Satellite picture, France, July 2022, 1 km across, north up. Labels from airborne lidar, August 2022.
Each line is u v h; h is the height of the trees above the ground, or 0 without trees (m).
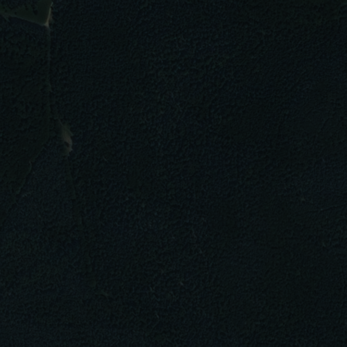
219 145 15
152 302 29
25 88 31
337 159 18
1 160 25
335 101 6
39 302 27
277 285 19
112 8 21
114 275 26
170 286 31
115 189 28
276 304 23
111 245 32
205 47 28
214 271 24
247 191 23
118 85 19
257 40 15
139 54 16
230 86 26
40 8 0
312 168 17
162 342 22
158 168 25
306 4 17
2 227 19
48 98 18
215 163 19
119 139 16
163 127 28
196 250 21
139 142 20
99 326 28
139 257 24
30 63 16
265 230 21
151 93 22
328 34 9
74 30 23
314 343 16
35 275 35
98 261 25
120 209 12
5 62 24
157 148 22
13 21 31
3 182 28
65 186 28
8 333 25
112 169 20
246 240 24
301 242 19
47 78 19
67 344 25
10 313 21
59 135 18
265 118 11
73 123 21
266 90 12
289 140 17
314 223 15
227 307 17
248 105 11
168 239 27
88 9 23
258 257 21
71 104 24
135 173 19
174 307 25
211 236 17
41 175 25
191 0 17
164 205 25
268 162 14
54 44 26
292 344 7
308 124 16
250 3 13
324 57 14
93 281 24
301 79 16
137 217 8
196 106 17
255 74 13
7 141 31
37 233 27
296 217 13
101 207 16
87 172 17
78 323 16
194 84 25
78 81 19
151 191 15
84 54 22
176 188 25
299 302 16
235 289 20
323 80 19
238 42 15
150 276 23
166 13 20
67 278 31
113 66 24
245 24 17
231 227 20
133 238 29
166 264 22
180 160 25
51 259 31
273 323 16
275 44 8
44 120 23
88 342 15
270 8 10
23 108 20
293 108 14
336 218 12
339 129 14
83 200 30
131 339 28
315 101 16
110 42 17
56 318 12
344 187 18
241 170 19
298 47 9
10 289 20
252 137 10
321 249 21
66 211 24
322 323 19
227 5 22
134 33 22
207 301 26
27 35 33
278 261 15
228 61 13
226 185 17
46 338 22
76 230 26
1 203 26
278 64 8
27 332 21
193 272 27
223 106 11
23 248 28
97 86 19
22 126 25
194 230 26
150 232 27
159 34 23
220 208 22
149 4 14
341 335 19
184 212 22
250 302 22
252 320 19
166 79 20
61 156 29
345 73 22
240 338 32
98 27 22
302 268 16
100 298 21
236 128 9
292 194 12
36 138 21
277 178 19
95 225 25
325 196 18
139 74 22
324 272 18
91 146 24
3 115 24
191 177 22
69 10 18
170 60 17
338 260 18
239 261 21
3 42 30
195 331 19
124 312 24
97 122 10
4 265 21
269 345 19
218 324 21
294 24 12
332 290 16
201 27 31
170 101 28
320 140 16
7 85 22
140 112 22
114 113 19
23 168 23
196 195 15
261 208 21
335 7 16
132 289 23
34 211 24
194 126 27
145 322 17
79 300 21
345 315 16
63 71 18
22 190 25
